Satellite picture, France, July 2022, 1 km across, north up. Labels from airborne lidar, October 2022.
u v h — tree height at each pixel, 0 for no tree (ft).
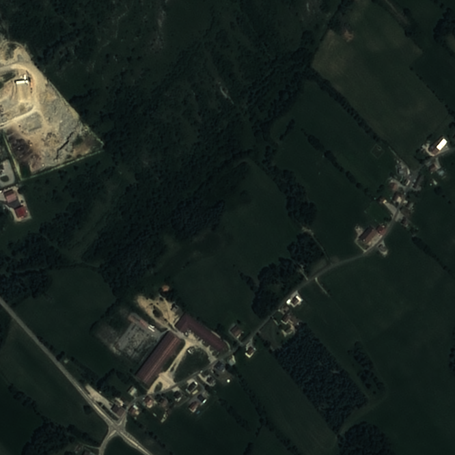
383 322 0
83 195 18
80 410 0
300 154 0
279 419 0
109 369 0
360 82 0
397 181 0
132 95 23
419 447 0
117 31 0
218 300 0
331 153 41
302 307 0
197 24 0
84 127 0
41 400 0
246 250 0
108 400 0
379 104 0
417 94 0
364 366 74
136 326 0
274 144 42
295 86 25
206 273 0
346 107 40
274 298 37
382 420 0
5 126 0
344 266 0
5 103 0
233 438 0
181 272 0
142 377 0
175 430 0
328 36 0
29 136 0
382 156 0
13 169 0
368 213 0
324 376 87
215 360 0
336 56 0
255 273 0
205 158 38
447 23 64
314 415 0
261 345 0
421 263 0
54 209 0
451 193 0
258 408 41
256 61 21
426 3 0
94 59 0
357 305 0
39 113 0
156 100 20
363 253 0
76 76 0
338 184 0
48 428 88
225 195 19
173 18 0
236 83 18
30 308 0
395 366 0
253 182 0
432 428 0
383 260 0
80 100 64
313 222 65
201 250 0
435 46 0
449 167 0
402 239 0
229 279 0
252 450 47
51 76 0
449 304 0
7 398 0
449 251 0
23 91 0
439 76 0
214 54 19
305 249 75
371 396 0
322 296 0
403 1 0
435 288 0
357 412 0
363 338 0
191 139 0
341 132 0
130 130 55
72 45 0
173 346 0
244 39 0
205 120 31
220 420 0
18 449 0
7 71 0
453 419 0
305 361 76
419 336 0
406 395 0
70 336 0
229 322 0
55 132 0
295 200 55
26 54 0
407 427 0
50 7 0
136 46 0
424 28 0
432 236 0
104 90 0
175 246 0
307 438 0
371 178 0
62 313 0
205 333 0
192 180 34
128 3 0
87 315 0
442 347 0
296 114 0
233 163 27
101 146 0
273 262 0
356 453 57
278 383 0
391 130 0
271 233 0
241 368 0
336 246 0
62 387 0
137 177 31
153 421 0
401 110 0
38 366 0
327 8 28
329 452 0
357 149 0
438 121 0
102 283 0
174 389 0
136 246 62
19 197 0
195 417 0
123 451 0
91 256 19
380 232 0
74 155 0
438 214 0
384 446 83
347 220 0
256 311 67
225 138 26
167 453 0
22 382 0
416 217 0
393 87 0
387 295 0
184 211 89
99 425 0
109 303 0
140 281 19
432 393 0
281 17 0
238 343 24
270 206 0
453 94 0
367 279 0
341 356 0
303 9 0
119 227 22
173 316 0
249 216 0
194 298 0
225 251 0
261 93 43
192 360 0
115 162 20
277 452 0
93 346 0
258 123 24
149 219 23
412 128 0
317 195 0
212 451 0
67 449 0
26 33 19
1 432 0
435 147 0
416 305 0
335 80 0
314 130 0
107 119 49
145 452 0
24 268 65
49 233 44
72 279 0
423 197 0
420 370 0
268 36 21
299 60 53
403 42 0
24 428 0
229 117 18
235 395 0
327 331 0
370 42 0
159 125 25
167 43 0
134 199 25
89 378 49
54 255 60
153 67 0
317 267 0
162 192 25
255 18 20
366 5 0
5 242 0
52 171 0
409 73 0
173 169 18
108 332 0
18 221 0
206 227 65
